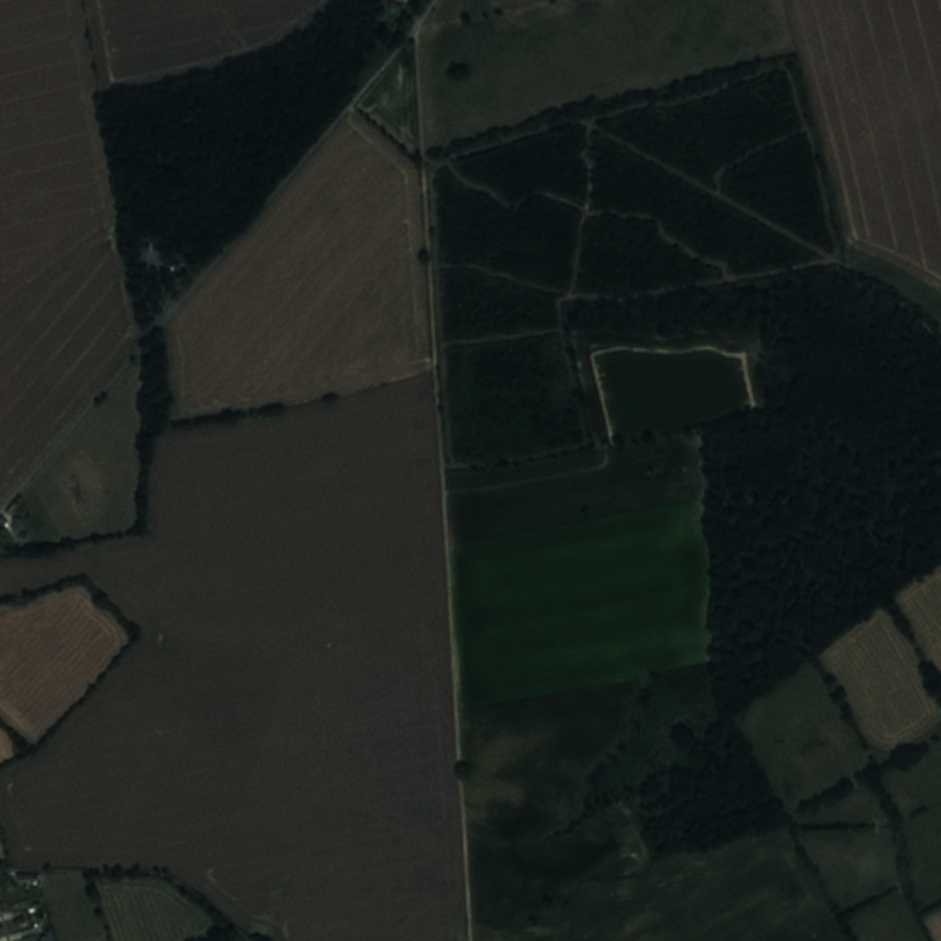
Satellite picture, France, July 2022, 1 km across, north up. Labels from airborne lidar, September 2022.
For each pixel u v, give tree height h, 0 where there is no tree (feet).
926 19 0
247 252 0
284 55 59
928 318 20
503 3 0
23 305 0
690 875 0
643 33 0
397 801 0
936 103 0
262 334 0
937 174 0
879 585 69
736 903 0
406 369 0
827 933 0
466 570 0
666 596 0
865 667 0
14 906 0
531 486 0
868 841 0
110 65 0
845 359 66
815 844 0
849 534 57
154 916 0
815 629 73
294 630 0
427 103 0
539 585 0
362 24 60
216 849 0
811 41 0
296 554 0
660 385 0
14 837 0
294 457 0
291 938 0
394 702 0
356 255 0
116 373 0
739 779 43
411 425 0
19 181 0
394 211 0
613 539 0
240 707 0
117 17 0
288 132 62
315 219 0
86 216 0
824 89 0
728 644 60
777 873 0
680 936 0
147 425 37
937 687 66
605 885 0
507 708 0
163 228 66
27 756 22
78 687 0
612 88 0
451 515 0
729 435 95
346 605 0
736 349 0
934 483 73
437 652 0
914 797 0
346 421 0
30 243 0
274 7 0
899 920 0
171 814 0
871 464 70
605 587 0
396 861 0
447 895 0
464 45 0
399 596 0
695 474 0
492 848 0
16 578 0
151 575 0
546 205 20
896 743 0
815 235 19
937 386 66
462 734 0
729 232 19
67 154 0
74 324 0
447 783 0
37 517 0
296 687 0
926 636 0
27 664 0
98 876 44
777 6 0
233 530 0
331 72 74
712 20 0
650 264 17
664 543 0
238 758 0
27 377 0
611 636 0
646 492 0
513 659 0
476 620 0
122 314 0
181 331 0
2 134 0
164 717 0
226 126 52
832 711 0
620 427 0
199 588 0
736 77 32
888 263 0
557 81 0
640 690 0
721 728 40
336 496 0
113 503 0
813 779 0
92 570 0
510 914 0
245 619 0
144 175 69
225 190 81
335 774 0
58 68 0
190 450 0
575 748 0
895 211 0
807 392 66
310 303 0
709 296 49
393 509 0
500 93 0
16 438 0
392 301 0
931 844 0
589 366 0
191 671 0
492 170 21
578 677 0
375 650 0
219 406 0
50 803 0
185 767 0
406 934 0
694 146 22
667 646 0
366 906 0
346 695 0
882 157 0
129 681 0
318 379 0
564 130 19
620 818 0
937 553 63
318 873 0
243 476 0
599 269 20
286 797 0
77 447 0
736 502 66
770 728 0
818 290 61
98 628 0
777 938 0
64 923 0
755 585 72
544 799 0
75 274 0
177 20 0
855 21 0
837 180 0
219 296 0
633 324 62
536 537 0
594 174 22
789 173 20
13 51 0
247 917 0
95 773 0
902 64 0
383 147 0
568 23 0
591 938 0
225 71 47
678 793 36
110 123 39
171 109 56
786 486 63
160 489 0
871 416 65
